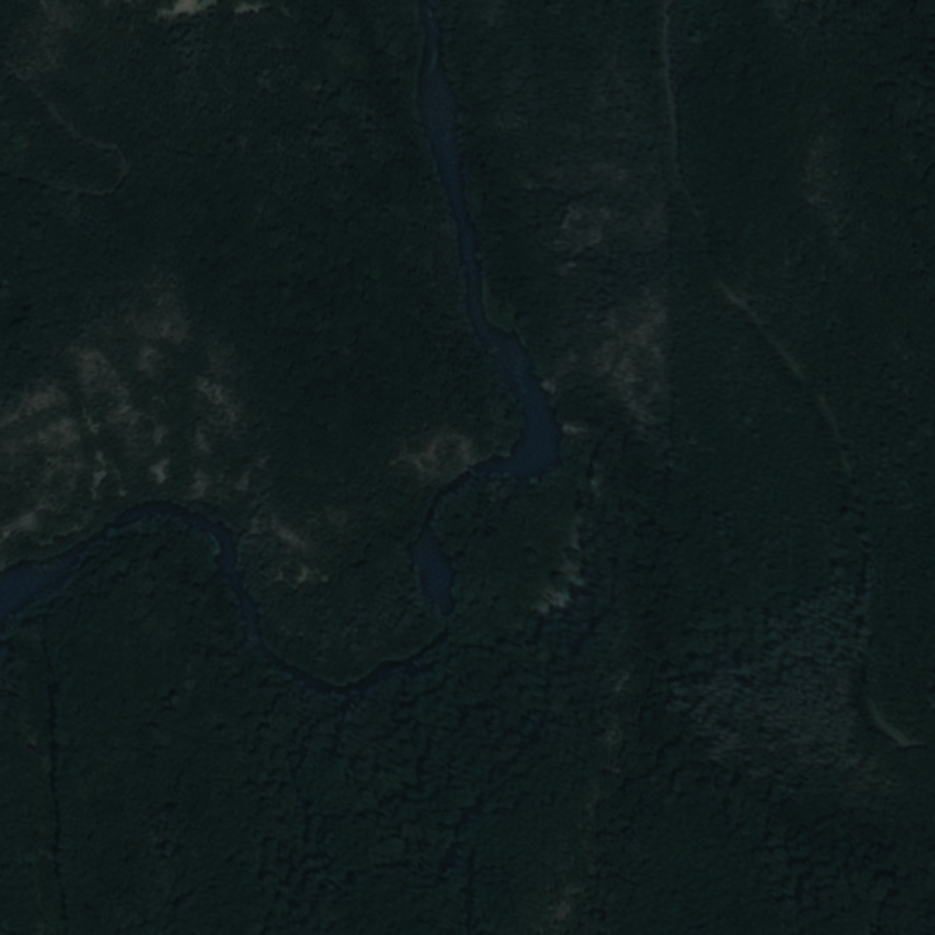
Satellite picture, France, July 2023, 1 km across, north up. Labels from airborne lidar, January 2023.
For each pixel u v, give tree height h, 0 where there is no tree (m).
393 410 21
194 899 19
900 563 23
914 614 22
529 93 9
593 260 9
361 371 25
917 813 21
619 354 6
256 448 8
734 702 30
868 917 24
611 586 13
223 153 19
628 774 12
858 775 21
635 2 16
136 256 9
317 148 22
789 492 18
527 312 20
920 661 20
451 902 15
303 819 9
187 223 16
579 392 14
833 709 25
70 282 14
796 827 24
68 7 7
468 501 31
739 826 21
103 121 7
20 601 0
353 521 12
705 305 13
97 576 16
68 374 10
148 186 10
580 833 20
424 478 8
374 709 12
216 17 19
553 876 16
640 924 23
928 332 20
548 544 27
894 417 17
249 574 13
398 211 25
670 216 7
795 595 16
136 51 12
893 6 25
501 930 12
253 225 18
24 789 22
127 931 24
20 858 22
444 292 9
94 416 7
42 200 16
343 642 29
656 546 22
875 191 18
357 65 29
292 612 24
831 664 29
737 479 19
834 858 25
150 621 26
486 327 0
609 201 8
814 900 24
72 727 24
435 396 17
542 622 7
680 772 15
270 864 17
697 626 7
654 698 19
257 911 26
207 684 21
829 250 13
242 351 14
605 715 10
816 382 19
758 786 23
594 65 9
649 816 24
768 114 21
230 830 22
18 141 19
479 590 21
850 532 20
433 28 0
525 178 9
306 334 20
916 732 13
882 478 19
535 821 18
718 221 16
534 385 0
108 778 28
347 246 22
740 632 18
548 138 11
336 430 25
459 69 17
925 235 22
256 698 10
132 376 11
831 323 16
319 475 23
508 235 20
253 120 20
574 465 21
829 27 17
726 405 14
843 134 15
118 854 22
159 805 27
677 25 8
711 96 21
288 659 16
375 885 23
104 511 11
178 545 14
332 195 24
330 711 15
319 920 24
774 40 17
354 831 19
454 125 0
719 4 12
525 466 0
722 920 22
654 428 9
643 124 8
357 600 28
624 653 10
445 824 13
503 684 22
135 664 23
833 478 17
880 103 23
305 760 18
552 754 19
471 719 21
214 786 22
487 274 15
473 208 17
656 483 21
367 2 24
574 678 18
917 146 22
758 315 9
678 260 20
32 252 23
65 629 18
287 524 7
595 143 9
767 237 17
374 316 25
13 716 17
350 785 15
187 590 21
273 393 19
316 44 19
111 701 24
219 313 20
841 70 19
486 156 16
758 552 18
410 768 15
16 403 9
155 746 26
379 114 30
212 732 20
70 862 21
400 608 25
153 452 16
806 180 11
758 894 19
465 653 24
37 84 9
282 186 20
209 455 7
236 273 23
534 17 11
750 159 19
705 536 22
